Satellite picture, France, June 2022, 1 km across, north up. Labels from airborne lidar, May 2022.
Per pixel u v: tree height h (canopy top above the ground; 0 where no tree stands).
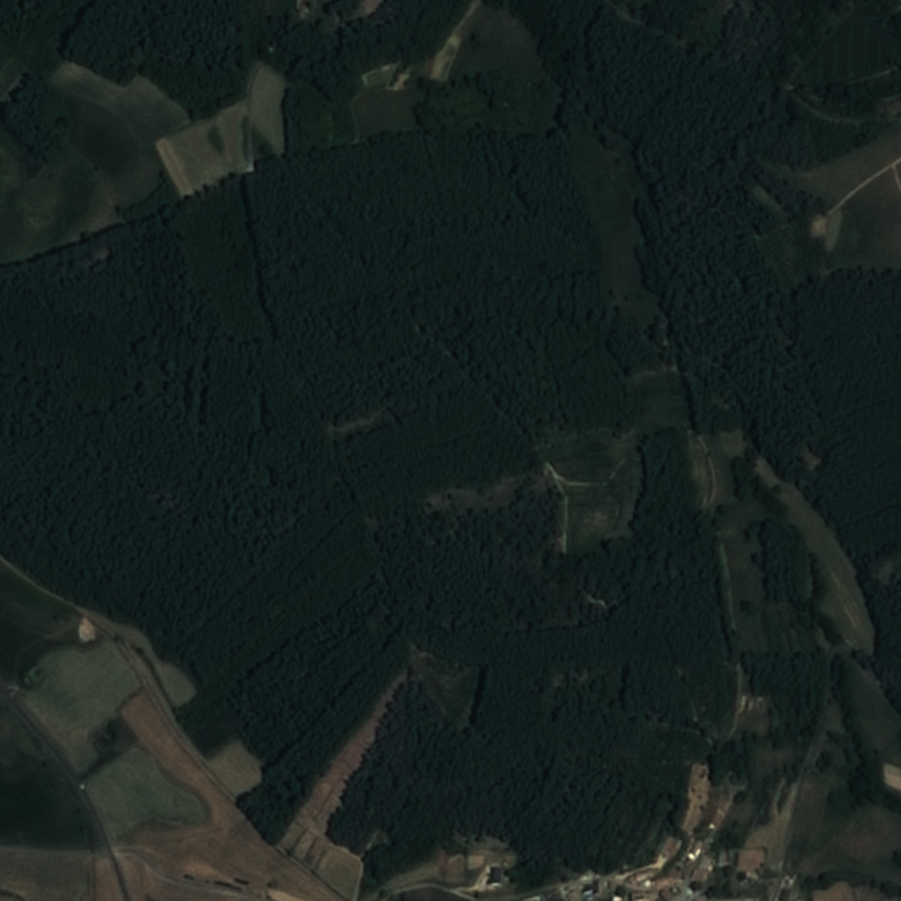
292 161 24
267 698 20
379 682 34
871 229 0
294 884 0
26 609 0
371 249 24
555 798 32
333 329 27
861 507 17
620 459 0
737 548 0
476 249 27
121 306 11
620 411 14
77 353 30
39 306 36
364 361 16
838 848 0
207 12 26
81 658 0
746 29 18
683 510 18
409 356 21
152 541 30
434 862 0
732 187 21
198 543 31
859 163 0
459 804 18
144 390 23
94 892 0
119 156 0
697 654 30
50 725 0
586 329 26
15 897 0
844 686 18
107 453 24
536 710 37
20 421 23
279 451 34
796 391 32
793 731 17
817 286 24
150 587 29
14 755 0
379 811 17
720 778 26
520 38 0
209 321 19
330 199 24
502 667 33
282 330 25
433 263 29
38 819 0
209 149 0
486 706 33
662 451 25
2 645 0
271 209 31
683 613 32
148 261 20
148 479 24
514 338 35
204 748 0
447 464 22
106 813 0
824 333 15
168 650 15
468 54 0
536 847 28
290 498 31
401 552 20
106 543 32
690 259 35
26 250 0
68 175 0
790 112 22
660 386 0
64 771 0
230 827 0
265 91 0
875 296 19
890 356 13
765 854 0
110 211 0
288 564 16
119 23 36
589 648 34
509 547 18
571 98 29
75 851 0
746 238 39
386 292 23
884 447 16
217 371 33
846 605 0
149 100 0
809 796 0
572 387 16
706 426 35
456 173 23
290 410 38
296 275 26
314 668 25
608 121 32
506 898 0
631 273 0
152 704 0
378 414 25
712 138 32
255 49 10
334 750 29
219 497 24
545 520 14
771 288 37
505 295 33
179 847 0
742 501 12
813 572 14
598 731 33
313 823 0
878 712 0
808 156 27
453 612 24
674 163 35
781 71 9
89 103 0
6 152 0
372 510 24
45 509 20
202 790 0
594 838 25
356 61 35
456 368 25
